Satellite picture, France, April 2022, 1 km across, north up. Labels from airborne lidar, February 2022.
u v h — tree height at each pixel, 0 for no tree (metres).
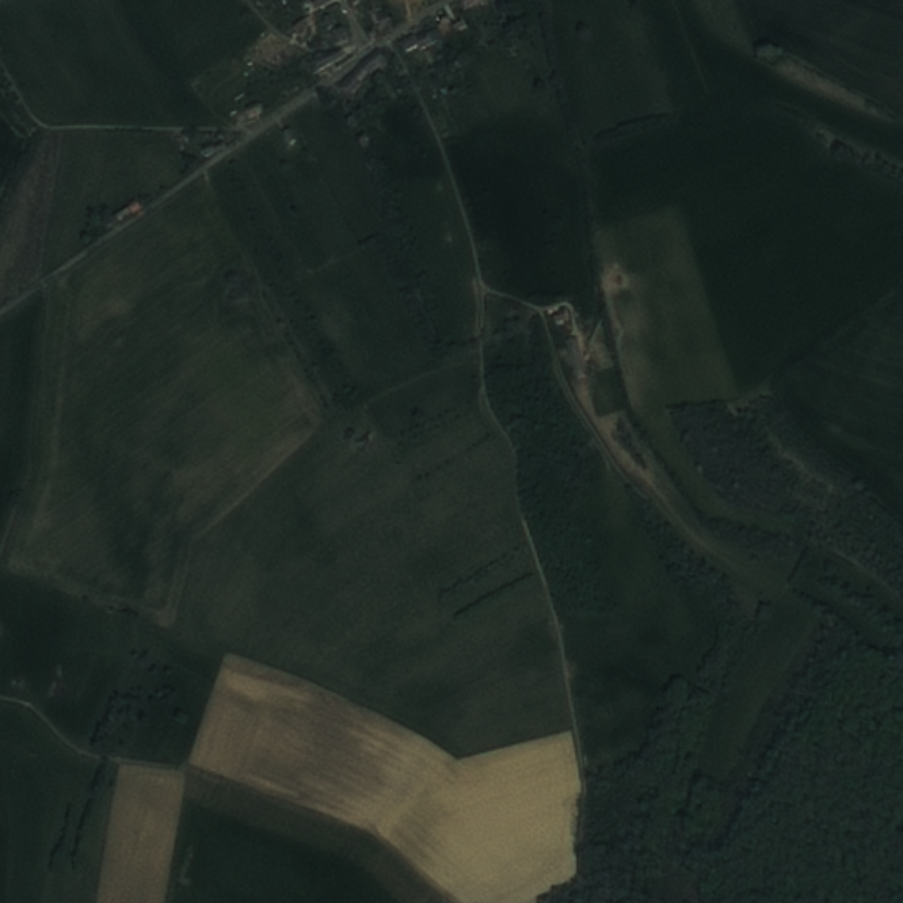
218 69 0
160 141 0
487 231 0
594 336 0
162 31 0
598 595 6
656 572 0
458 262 0
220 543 0
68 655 0
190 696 0
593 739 0
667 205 0
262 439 0
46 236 0
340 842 0
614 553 0
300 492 0
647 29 0
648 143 0
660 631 0
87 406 0
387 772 0
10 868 0
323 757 0
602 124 0
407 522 0
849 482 12
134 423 0
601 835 7
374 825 0
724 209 0
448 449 0
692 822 23
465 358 0
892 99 0
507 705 0
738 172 0
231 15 0
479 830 0
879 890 27
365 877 0
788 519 13
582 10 0
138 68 0
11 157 0
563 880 0
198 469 0
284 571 0
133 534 0
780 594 0
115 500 0
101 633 0
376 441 0
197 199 0
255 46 0
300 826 0
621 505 0
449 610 0
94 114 0
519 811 0
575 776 0
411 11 0
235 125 0
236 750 0
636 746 0
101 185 0
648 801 9
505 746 0
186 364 0
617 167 0
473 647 0
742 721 0
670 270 0
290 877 0
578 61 0
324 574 0
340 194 0
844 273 0
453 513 0
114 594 0
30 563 0
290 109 0
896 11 0
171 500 0
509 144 0
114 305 0
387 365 0
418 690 0
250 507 0
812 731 24
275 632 0
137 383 0
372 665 0
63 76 0
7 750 0
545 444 9
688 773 20
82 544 0
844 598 11
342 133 0
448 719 0
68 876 0
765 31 0
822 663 9
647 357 0
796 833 26
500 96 0
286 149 0
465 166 0
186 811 0
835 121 0
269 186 0
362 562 0
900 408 0
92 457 0
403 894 0
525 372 10
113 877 0
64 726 0
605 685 0
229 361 0
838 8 0
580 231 0
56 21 0
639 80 0
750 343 0
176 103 0
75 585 0
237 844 0
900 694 22
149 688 0
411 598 0
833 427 0
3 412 0
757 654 0
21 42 0
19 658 0
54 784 0
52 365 0
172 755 0
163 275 0
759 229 0
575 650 0
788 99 0
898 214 0
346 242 0
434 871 0
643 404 0
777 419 10
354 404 0
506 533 0
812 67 0
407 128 0
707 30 0
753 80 0
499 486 0
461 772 0
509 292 0
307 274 0
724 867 22
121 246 0
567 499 7
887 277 0
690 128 0
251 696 0
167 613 0
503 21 7
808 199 0
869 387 0
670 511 0
